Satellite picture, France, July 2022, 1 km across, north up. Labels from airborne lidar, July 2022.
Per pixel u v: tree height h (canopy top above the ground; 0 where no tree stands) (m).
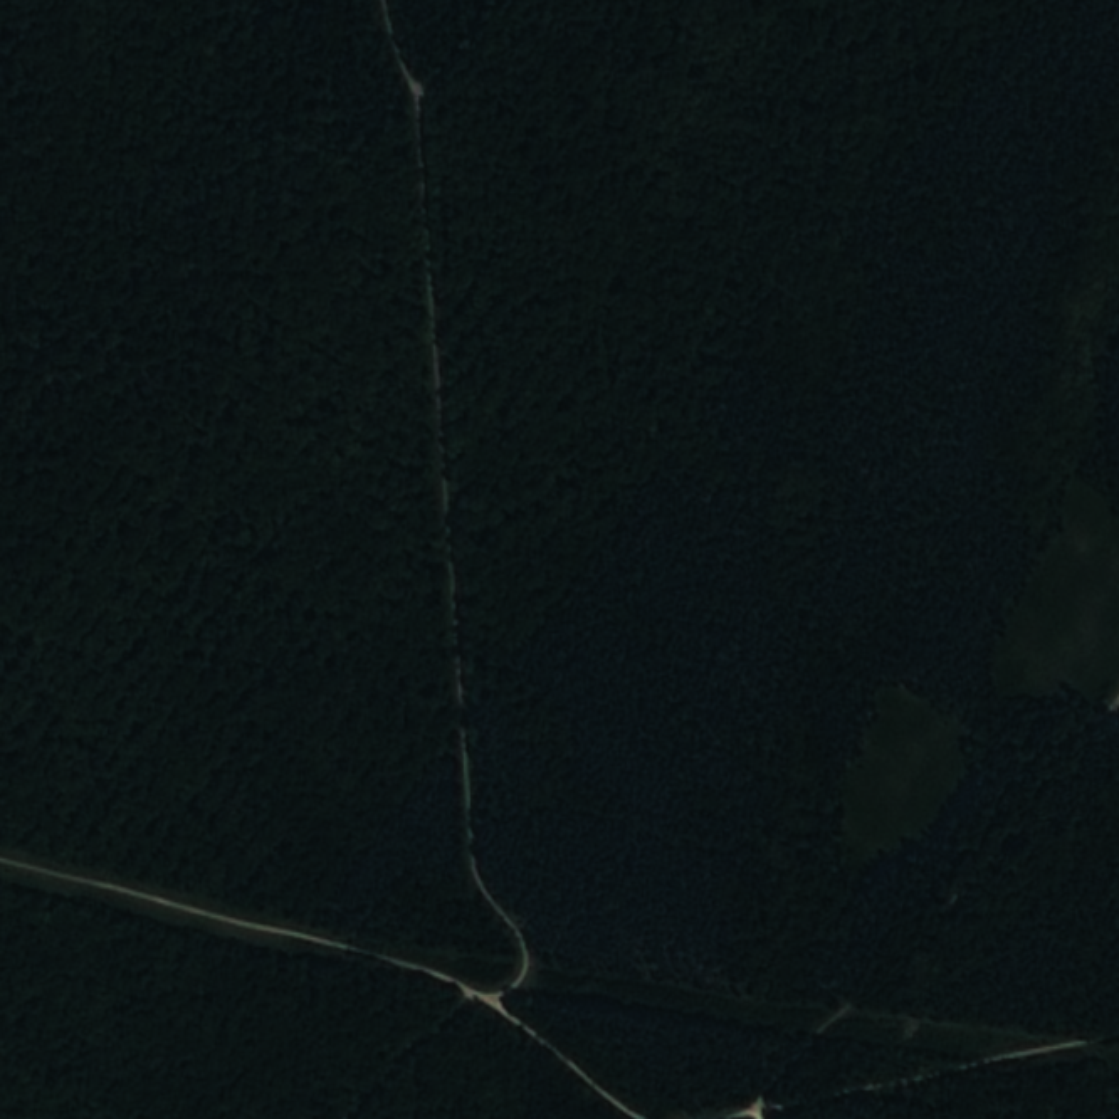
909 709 0
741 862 22
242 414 19
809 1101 16
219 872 20
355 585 19
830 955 25
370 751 21
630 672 22
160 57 21
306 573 17
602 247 18
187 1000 18
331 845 16
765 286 21
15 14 24
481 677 20
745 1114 0
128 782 18
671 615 19
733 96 22
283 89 17
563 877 26
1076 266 21
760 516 21
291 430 17
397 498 19
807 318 19
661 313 19
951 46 23
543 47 22
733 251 21
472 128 15
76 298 20
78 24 20
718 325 11
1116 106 17
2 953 17
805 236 19
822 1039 12
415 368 14
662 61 16
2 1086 20
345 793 19
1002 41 22
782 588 14
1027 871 18
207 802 17
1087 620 0
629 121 24
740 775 22
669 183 20
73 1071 14
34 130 23
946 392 20
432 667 24
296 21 20
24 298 24
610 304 17
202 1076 18
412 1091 18
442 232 14
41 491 22
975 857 25
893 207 18
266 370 17
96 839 17
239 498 19
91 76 19
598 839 22
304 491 20
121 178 21
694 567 23
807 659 20
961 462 23
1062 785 20
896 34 22
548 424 17
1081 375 21
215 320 23
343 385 18
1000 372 20
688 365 17
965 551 24
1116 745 22
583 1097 17
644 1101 15
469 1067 16
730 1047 23
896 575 19
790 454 21
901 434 19
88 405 15
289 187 23
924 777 0
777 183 22
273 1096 17
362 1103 19
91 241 15
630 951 20
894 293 19
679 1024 23
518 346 18
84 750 15
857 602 20
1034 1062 9
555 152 18
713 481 13
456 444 16
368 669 21
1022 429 17
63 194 22
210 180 23
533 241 17
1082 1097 18
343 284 15
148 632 19
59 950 19
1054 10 18
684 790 21
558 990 7
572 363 17
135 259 15
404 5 13
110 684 15
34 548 26
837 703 26
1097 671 0
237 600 17
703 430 18
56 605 17
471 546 18
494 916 16
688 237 22
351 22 15
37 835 15
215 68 20
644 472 17
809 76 21
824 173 20
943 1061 13
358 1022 19
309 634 18
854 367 19
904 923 20
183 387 20
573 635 22
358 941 7
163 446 20
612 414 18
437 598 17
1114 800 19
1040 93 23
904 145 15
